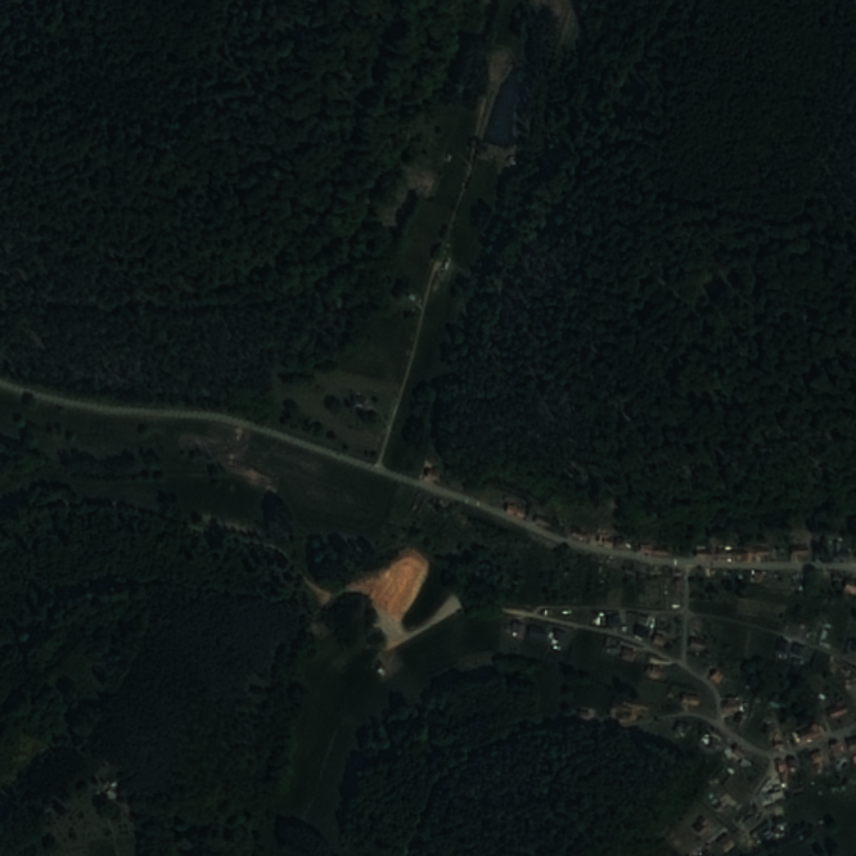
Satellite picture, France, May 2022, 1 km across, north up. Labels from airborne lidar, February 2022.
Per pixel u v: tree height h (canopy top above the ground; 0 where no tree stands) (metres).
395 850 24
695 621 0
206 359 28
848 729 0
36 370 25
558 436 22
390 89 38
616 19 23
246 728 8
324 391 0
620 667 0
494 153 0
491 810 29
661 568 0
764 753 0
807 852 0
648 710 0
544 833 30
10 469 25
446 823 24
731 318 30
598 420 22
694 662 0
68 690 25
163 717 15
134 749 15
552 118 11
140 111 19
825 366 34
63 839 0
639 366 33
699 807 0
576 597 0
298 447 0
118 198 31
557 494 27
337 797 0
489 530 6
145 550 14
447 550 0
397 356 0
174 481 0
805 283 33
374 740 23
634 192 31
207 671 16
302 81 36
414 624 0
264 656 17
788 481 30
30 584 5
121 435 0
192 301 14
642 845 31
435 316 0
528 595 0
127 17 27
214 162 32
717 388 33
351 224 21
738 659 0
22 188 22
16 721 25
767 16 22
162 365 23
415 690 0
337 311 31
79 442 0
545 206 30
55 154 25
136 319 21
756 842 0
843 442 31
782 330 32
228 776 16
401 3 38
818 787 0
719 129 18
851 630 0
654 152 20
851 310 39
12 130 25
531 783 32
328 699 0
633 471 26
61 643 26
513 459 27
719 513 28
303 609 6
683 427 32
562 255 32
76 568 12
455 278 0
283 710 19
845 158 21
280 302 21
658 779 23
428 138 0
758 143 20
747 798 0
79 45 30
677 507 26
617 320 32
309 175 34
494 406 23
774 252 34
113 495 0
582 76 13
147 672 19
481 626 0
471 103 23
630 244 34
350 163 33
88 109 17
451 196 0
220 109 36
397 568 0
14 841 26
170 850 33
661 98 29
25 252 24
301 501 0
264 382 24
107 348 28
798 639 0
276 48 36
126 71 14
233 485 0
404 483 0
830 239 34
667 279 32
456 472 20
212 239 21
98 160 30
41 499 14
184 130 30
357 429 0
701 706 0
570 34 0
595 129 36
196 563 11
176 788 27
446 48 30
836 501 19
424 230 0
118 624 16
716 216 31
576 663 0
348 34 34
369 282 21
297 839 27
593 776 29
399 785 26
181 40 28
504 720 24
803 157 18
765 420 30
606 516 0
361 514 0
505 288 48
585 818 29
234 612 18
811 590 18
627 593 0
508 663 9
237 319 27
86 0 30
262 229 32
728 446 32
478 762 21
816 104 17
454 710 23
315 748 0
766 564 0
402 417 0
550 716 0
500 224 15
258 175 45
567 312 31
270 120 34
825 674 7
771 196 20
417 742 29
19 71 29
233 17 25
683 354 34
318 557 21
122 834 6
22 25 31
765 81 23
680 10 30
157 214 28
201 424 0
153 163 32
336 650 0
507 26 0
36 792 12
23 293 25
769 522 19
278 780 26
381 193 38
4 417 0
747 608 0
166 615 18
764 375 34
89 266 27
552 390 25
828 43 17
